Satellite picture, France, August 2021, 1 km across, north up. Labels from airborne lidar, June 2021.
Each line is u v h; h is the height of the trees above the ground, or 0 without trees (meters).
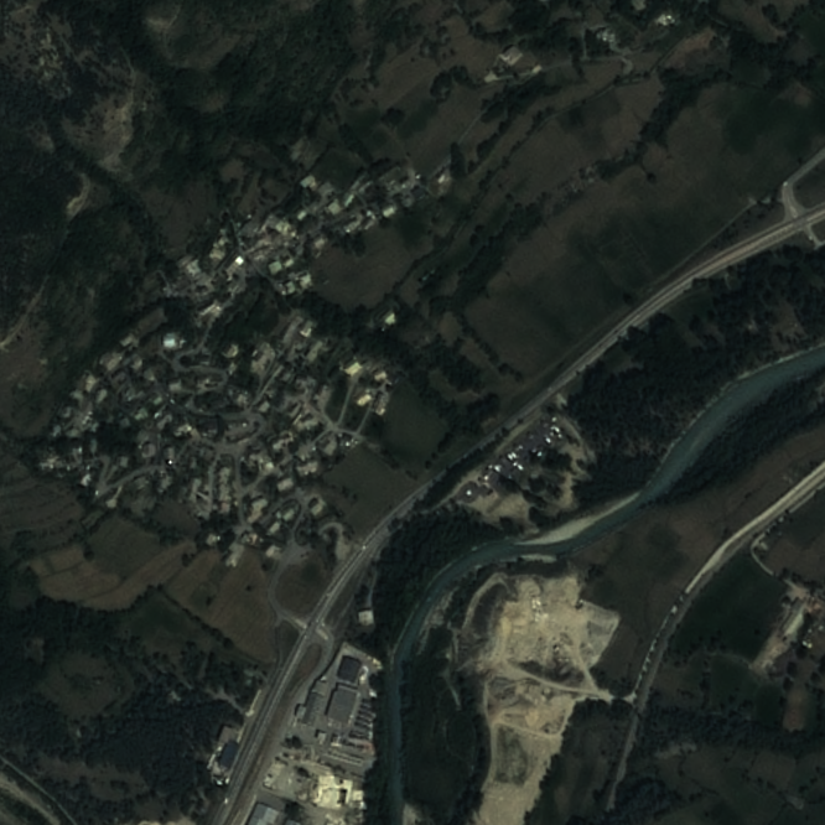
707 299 0
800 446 0
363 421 0
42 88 7
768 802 0
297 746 14
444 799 0
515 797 0
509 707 0
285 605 0
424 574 13
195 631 0
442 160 0
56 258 9
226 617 0
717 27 7
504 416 0
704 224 0
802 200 0
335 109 10
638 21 8
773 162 0
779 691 0
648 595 0
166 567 0
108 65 7
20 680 15
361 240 9
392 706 0
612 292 0
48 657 9
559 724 0
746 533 0
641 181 0
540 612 0
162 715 17
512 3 13
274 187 0
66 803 7
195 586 0
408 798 8
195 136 14
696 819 0
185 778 15
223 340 7
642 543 0
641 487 8
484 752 7
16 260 6
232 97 6
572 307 0
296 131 11
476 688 0
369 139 0
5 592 11
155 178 6
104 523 5
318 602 0
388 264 0
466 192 0
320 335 7
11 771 6
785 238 0
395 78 0
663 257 0
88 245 7
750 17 0
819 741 9
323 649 0
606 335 0
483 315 0
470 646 0
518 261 0
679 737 8
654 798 11
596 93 0
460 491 0
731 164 0
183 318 15
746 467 12
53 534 7
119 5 9
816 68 14
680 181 0
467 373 12
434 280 8
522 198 0
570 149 0
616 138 0
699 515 0
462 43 0
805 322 18
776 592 0
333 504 0
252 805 0
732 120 0
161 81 13
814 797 0
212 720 17
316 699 0
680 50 0
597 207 0
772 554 0
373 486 0
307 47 13
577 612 0
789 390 8
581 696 0
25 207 8
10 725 15
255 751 0
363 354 14
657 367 15
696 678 0
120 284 7
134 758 16
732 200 0
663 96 6
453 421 16
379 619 14
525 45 9
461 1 8
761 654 0
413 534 10
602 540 0
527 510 0
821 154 0
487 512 0
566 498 0
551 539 0
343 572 0
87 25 10
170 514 0
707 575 0
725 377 17
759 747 7
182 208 0
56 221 8
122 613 6
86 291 8
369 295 0
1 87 17
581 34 0
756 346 15
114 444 10
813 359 0
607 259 0
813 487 0
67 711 0
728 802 0
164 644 0
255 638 0
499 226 0
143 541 0
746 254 0
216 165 10
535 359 0
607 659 0
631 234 0
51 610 23
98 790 0
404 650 0
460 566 0
